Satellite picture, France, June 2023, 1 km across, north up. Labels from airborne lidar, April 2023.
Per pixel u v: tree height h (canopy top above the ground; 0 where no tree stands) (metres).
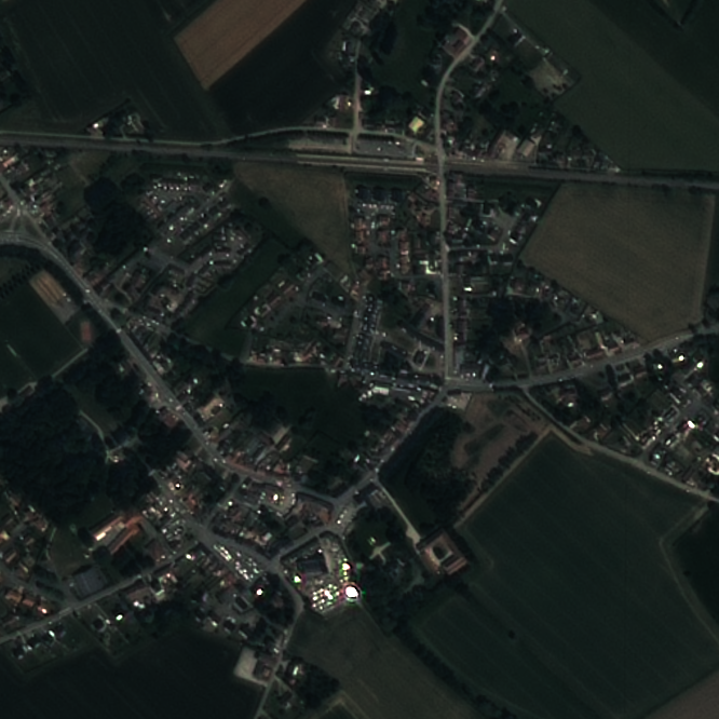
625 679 0
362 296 0
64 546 0
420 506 0
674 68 0
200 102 0
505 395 25
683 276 0
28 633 0
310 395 0
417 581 0
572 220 0
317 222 0
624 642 0
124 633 0
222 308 0
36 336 0
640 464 0
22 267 0
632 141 0
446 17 8
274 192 0
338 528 0
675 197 0
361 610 0
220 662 0
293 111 0
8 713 0
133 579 0
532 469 0
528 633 0
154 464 14
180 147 0
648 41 0
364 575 11
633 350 0
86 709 0
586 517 0
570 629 0
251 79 0
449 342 0
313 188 0
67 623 0
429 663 21
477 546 0
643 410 6
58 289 0
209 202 0
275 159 0
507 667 0
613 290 0
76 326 0
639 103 0
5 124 0
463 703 0
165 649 0
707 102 0
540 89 0
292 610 12
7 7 0
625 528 0
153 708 0
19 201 0
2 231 0
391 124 0
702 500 0
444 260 0
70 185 0
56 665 0
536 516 0
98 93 0
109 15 0
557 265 0
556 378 0
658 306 0
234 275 6
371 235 0
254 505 0
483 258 10
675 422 0
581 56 0
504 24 0
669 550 0
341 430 0
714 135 0
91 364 15
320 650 0
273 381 0
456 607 0
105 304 0
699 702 0
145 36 0
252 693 0
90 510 0
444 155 0
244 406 13
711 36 0
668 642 0
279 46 0
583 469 0
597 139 0
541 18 0
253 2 0
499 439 0
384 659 0
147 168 0
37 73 0
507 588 0
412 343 0
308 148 0
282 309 0
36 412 27
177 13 0
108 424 0
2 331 0
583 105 0
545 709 0
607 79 0
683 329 0
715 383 0
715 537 0
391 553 0
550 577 0
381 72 0
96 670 0
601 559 0
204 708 0
